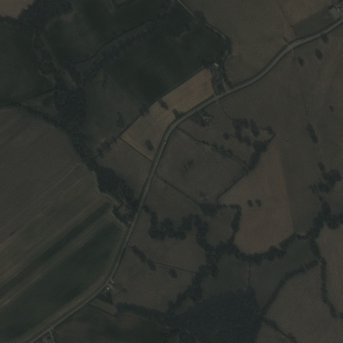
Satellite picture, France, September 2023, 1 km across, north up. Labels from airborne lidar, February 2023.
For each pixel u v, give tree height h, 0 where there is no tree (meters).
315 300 0
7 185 0
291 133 0
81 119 19
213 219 0
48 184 0
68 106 18
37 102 0
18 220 0
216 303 24
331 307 11
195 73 0
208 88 0
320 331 0
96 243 0
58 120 0
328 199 0
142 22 7
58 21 0
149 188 0
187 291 7
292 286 0
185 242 0
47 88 0
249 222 0
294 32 0
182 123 0
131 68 0
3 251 0
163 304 0
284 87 0
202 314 21
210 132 0
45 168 0
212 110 0
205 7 0
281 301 0
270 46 0
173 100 0
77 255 0
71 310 0
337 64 0
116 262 0
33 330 0
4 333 0
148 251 0
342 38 0
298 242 0
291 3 0
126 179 0
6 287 0
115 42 0
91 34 0
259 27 0
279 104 0
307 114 0
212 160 0
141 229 0
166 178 0
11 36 0
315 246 17
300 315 0
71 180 0
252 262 15
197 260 0
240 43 0
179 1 0
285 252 8
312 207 0
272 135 0
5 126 0
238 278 0
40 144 0
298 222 0
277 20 0
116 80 0
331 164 0
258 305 13
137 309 18
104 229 0
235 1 0
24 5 0
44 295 0
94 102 0
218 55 10
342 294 0
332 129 0
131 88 0
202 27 0
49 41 0
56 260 0
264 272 0
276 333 0
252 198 0
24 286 0
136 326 0
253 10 0
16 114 0
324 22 0
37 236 0
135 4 0
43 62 13
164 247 0
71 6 12
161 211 0
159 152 0
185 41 0
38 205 0
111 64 0
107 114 0
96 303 0
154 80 0
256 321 18
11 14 0
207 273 17
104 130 0
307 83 0
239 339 22
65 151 0
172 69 0
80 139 18
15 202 0
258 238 0
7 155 0
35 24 19
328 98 0
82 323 0
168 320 22
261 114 0
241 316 18
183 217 0
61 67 0
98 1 0
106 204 0
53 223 0
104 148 20
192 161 0
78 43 0
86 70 0
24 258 0
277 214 0
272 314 0
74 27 0
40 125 0
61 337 0
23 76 0
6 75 0
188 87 0
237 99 0
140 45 0
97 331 0
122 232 0
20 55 0
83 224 0
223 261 0
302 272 14
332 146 0
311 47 0
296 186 0
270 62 0
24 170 0
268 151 0
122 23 0
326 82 0
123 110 0
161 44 0
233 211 0
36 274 0
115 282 0
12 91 0
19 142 0
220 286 0
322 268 12
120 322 0
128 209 8
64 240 0
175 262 0
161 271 0
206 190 0
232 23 0
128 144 0
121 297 0
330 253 0
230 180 0
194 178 0
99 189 11
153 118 0
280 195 0
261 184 0
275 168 0
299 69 0
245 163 8
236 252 18
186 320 19
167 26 0
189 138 0
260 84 0
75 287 0
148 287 0
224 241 0
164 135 0
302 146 0
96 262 0
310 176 0
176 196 0
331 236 0
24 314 0
